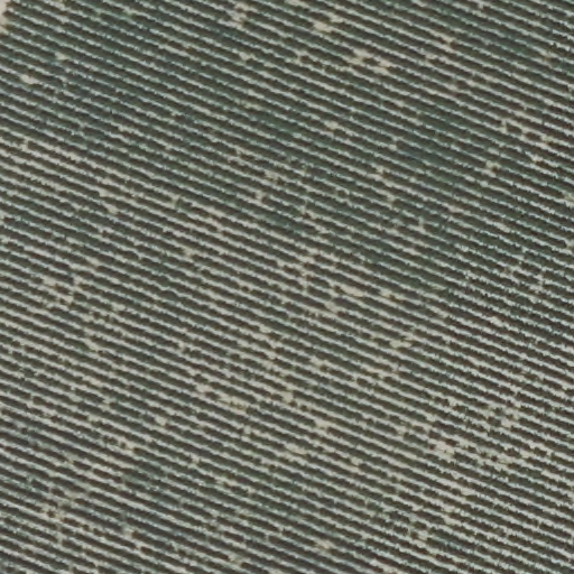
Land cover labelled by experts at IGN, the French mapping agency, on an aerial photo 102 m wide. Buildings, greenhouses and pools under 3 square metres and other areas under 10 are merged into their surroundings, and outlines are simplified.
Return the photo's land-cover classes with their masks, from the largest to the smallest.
<instances>
[{"label":"vineyard","instance_id":"1","mask_svg":"<svg viewBox=\"0 0 574 574\"><path fill-rule=\"evenodd\" d=\"M0 574H574V0H0Z\"/></svg>","mask_w":574,"mask_h":574}]
</instances>
